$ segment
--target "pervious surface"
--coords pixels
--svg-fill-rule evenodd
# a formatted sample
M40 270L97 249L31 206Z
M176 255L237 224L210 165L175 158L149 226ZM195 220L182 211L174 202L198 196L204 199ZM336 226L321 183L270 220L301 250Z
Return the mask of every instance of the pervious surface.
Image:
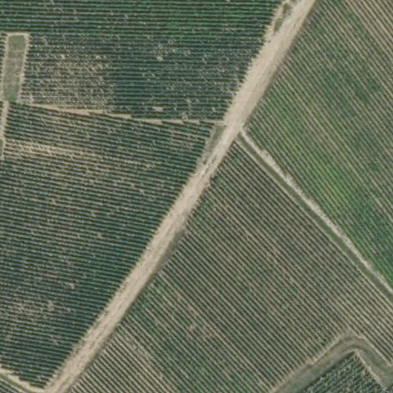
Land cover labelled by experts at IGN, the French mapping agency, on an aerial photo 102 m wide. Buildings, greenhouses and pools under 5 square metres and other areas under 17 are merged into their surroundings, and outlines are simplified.
M201 192L209 186L210 178L215 175L218 164L227 154L233 138L243 129L253 107L266 91L270 77L292 45L293 38L298 34L305 15L309 14L315 0L282 0L273 12L270 25L267 26L263 48L250 63L246 78L224 115L226 129L207 158L207 163L196 167L195 172L190 175L177 201L161 221L154 238L147 244L140 261L121 282L120 289L91 329L72 347L71 356L64 361L63 367L58 367L46 387L43 387L46 393L64 393L97 352L101 342L120 321L130 302L134 301L144 282L154 272L175 233L186 226L187 216L198 204Z

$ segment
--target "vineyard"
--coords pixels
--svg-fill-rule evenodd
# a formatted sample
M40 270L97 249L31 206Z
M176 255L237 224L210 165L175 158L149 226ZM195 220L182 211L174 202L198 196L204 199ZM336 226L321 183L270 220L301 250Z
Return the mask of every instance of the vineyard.
M393 0L315 0L309 14L305 15L298 34L293 38L292 45L270 77L266 91L253 107L243 129L233 138L227 154L218 164L215 175L210 178L209 186L201 192L198 204L187 216L186 226L175 233L154 272L144 282L134 301L130 302L120 321L101 342L97 352L64 393L393 393Z
M196 167L207 163L207 158L226 129L224 115L246 78L250 63L263 48L267 26L270 25L273 12L282 0L0 0L0 393L46 393L43 387L46 387L58 367L63 367L64 361L71 356L72 347L91 329L120 289L121 282L140 261L147 244L154 238L161 221L177 201L190 175L195 172Z

